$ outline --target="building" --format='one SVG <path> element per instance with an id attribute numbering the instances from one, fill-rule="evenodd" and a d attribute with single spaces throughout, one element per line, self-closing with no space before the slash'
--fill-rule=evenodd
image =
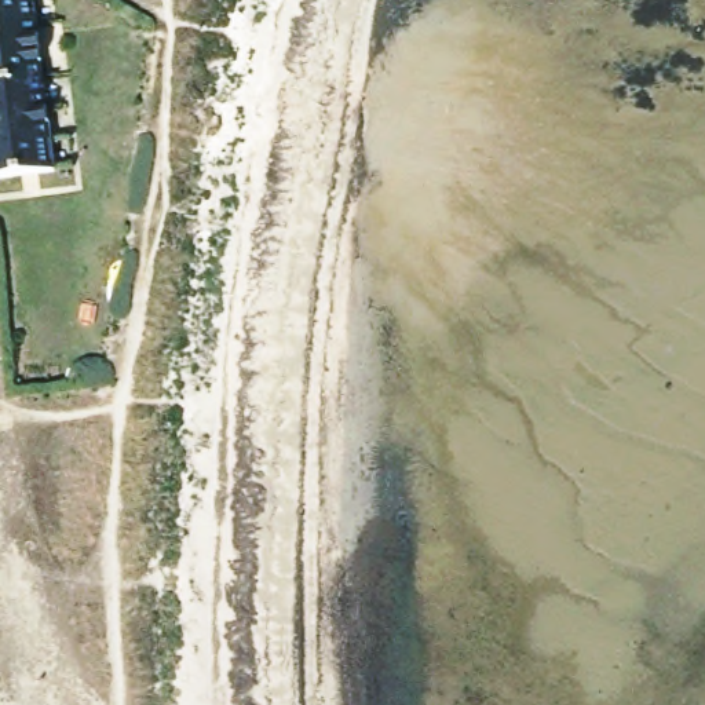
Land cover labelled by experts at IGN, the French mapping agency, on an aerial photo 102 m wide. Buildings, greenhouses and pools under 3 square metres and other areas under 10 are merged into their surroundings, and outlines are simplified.
<path id="1" fill-rule="evenodd" d="M 61 22 L 63 14 L 52 8 L 52 0 L 0 0 L 0 168 L 8 160 L 17 160 L 22 165 L 50 165 L 74 162 L 77 162 L 85 151 L 80 149 L 80 138 L 74 135 L 72 124 L 58 124 L 63 96 L 58 88 L 52 88 L 52 80 L 55 66 L 50 61 L 50 39 L 52 25 Z"/>

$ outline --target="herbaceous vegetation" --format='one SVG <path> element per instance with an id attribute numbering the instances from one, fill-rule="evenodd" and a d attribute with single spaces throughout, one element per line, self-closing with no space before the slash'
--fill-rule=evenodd
<path id="1" fill-rule="evenodd" d="M 680 83 L 677 69 L 699 72 L 702 58 L 677 50 L 666 52 L 653 66 L 633 66 L 625 74 L 625 80 L 614 88 L 614 99 L 631 99 L 636 107 L 650 110 L 650 85 L 655 83 L 655 77 Z"/>
<path id="2" fill-rule="evenodd" d="M 168 375 L 168 361 L 171 355 L 187 347 L 187 297 L 218 295 L 223 289 L 223 253 L 231 231 L 212 231 L 209 251 L 198 251 L 193 242 L 190 220 L 182 215 L 168 215 L 162 242 L 154 259 L 143 341 L 135 358 L 132 391 L 138 397 L 168 397 L 168 388 L 162 388 L 162 377 Z"/>
<path id="3" fill-rule="evenodd" d="M 30 504 L 36 509 L 41 534 L 58 534 L 61 468 L 55 457 L 55 427 L 39 424 L 28 435 L 19 457 L 25 465 L 22 482 L 30 493 Z"/>
<path id="4" fill-rule="evenodd" d="M 173 677 L 182 650 L 182 603 L 176 592 L 157 592 L 154 587 L 140 587 L 121 592 L 127 705 L 173 705 Z"/>
<path id="5" fill-rule="evenodd" d="M 58 187 L 72 185 L 74 162 L 50 165 L 52 173 L 41 176 L 39 185 Z"/>
<path id="6" fill-rule="evenodd" d="M 187 465 L 187 449 L 179 438 L 182 408 L 129 405 L 127 413 L 132 419 L 157 421 L 151 430 L 143 432 L 143 463 L 149 465 L 151 482 L 149 487 L 143 487 L 140 507 L 140 523 L 146 526 L 146 548 L 151 554 L 162 554 L 162 565 L 179 565 L 179 479 Z"/>
<path id="7" fill-rule="evenodd" d="M 256 532 L 267 487 L 251 479 L 251 463 L 237 460 L 231 504 L 231 543 L 237 556 L 231 559 L 234 581 L 226 589 L 226 603 L 234 611 L 234 620 L 226 622 L 226 644 L 231 650 L 229 683 L 234 705 L 256 705 Z"/>
<path id="8" fill-rule="evenodd" d="M 237 0 L 173 0 L 176 19 L 190 19 L 201 25 L 229 25 Z"/>
<path id="9" fill-rule="evenodd" d="M 688 33 L 699 41 L 705 39 L 705 0 L 642 0 L 633 14 L 636 25 L 672 25 L 680 33 Z"/>
<path id="10" fill-rule="evenodd" d="M 72 377 L 74 355 L 105 353 L 105 339 L 121 330 L 121 319 L 132 311 L 140 251 L 127 242 L 132 220 L 105 218 L 105 201 L 127 207 L 140 135 L 157 135 L 162 63 L 154 63 L 154 74 L 146 72 L 151 41 L 132 44 L 132 30 L 121 19 L 116 19 L 116 14 L 99 6 L 102 0 L 52 0 L 52 8 L 63 14 L 61 22 L 61 47 L 66 52 L 66 66 L 55 66 L 52 80 L 72 83 L 72 124 L 74 135 L 80 138 L 80 149 L 85 151 L 77 162 L 83 168 L 80 193 L 36 196 L 22 201 L 0 198 L 0 229 L 6 229 L 8 240 L 14 289 L 11 344 L 19 355 L 19 372 L 14 372 L 14 383 L 55 383 Z"/>
<path id="11" fill-rule="evenodd" d="M 215 96 L 218 77 L 209 69 L 209 61 L 237 58 L 237 50 L 229 36 L 176 28 L 171 80 L 171 201 L 185 201 L 198 187 L 201 176 L 201 124 L 196 116 L 196 99 Z"/>

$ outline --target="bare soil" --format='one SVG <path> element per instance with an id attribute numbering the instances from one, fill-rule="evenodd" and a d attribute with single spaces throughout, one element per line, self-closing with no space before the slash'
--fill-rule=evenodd
<path id="1" fill-rule="evenodd" d="M 292 19 L 284 63 L 275 69 L 273 80 L 278 83 L 275 135 L 270 140 L 259 220 L 251 231 L 248 275 L 262 292 L 270 292 L 273 308 L 242 314 L 242 333 L 237 336 L 237 341 L 242 344 L 237 358 L 237 460 L 251 463 L 251 479 L 267 487 L 256 532 L 256 705 L 705 705 L 705 39 L 699 41 L 688 33 L 680 33 L 672 25 L 636 25 L 633 14 L 642 0 L 300 0 L 300 14 Z M 633 66 L 653 66 L 666 52 L 677 50 L 702 58 L 699 72 L 677 69 L 680 83 L 655 77 L 655 83 L 650 85 L 650 110 L 636 107 L 631 99 L 614 99 L 614 88 L 625 80 L 625 74 Z"/>

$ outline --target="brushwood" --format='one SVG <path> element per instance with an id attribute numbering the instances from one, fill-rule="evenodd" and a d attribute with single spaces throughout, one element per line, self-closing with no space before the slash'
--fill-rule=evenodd
<path id="1" fill-rule="evenodd" d="M 157 157 L 157 135 L 140 135 L 127 207 L 143 212 L 146 207 Z"/>
<path id="2" fill-rule="evenodd" d="M 14 289 L 8 240 L 6 229 L 0 229 L 0 402 L 6 397 L 19 397 L 22 408 L 36 410 L 91 408 L 96 405 L 96 391 L 102 386 L 118 383 L 116 364 L 105 353 L 74 355 L 72 377 L 55 383 L 14 383 L 14 372 L 19 372 L 19 355 L 11 344 Z"/>
<path id="3" fill-rule="evenodd" d="M 151 19 L 143 14 L 143 6 L 135 0 L 102 0 L 99 6 L 116 14 L 116 19 L 121 19 L 132 30 L 154 30 Z"/>

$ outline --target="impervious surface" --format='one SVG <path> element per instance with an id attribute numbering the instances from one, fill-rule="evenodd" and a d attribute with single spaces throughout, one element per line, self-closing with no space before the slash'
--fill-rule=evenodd
<path id="1" fill-rule="evenodd" d="M 63 96 L 58 124 L 72 124 L 72 83 L 52 80 L 52 88 L 58 88 Z"/>
<path id="2" fill-rule="evenodd" d="M 66 52 L 61 47 L 61 22 L 52 25 L 50 39 L 50 61 L 55 66 L 66 66 Z"/>

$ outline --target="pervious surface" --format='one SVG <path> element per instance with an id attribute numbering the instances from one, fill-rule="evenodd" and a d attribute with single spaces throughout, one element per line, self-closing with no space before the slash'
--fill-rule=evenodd
<path id="1" fill-rule="evenodd" d="M 151 19 L 154 30 L 132 30 L 132 44 L 151 41 L 146 72 L 154 74 L 154 63 L 162 63 L 157 135 L 157 157 L 146 207 L 143 212 L 127 207 L 105 201 L 105 218 L 132 220 L 127 242 L 140 251 L 132 311 L 121 319 L 121 330 L 105 339 L 105 353 L 116 364 L 118 383 L 102 386 L 96 391 L 96 405 L 91 408 L 36 410 L 22 408 L 19 397 L 6 397 L 0 402 L 0 705 L 127 705 L 121 592 L 140 587 L 154 587 L 157 592 L 176 592 L 182 603 L 182 650 L 173 677 L 173 705 L 234 705 L 229 683 L 231 650 L 226 644 L 226 622 L 234 620 L 234 611 L 226 603 L 226 589 L 234 581 L 231 559 L 237 556 L 231 543 L 231 504 L 237 460 L 237 358 L 242 344 L 237 341 L 237 336 L 242 333 L 242 314 L 273 308 L 270 292 L 262 292 L 248 275 L 251 231 L 259 220 L 270 140 L 275 135 L 278 83 L 273 80 L 275 69 L 284 63 L 292 19 L 300 14 L 300 0 L 237 0 L 229 25 L 201 25 L 190 19 L 176 19 L 173 0 L 135 0 L 143 6 L 143 14 Z M 215 96 L 196 99 L 196 116 L 201 124 L 201 176 L 198 187 L 185 201 L 171 201 L 171 80 L 176 28 L 229 36 L 237 50 L 237 58 L 209 61 L 209 69 L 218 77 Z M 182 215 L 190 220 L 193 242 L 198 251 L 209 251 L 212 231 L 231 231 L 223 253 L 223 289 L 218 295 L 187 297 L 187 347 L 171 355 L 168 361 L 168 375 L 162 377 L 162 388 L 168 388 L 168 397 L 138 397 L 132 391 L 135 358 L 143 341 L 154 259 L 162 242 L 168 215 Z M 149 487 L 151 482 L 149 465 L 143 463 L 143 432 L 151 430 L 157 421 L 132 419 L 127 413 L 129 405 L 182 408 L 179 438 L 187 449 L 187 465 L 179 479 L 179 565 L 162 565 L 162 554 L 151 554 L 146 548 L 146 526 L 140 523 L 140 507 L 143 487 Z M 28 435 L 39 424 L 55 427 L 55 457 L 61 468 L 58 534 L 41 534 L 36 509 L 30 504 L 30 493 L 22 482 L 25 465 L 19 457 Z"/>
<path id="2" fill-rule="evenodd" d="M 83 168 L 77 162 L 74 162 L 72 185 L 58 187 L 39 185 L 41 176 L 52 173 L 50 165 L 22 165 L 17 160 L 8 160 L 0 168 L 0 198 L 22 201 L 36 196 L 80 193 Z"/>

